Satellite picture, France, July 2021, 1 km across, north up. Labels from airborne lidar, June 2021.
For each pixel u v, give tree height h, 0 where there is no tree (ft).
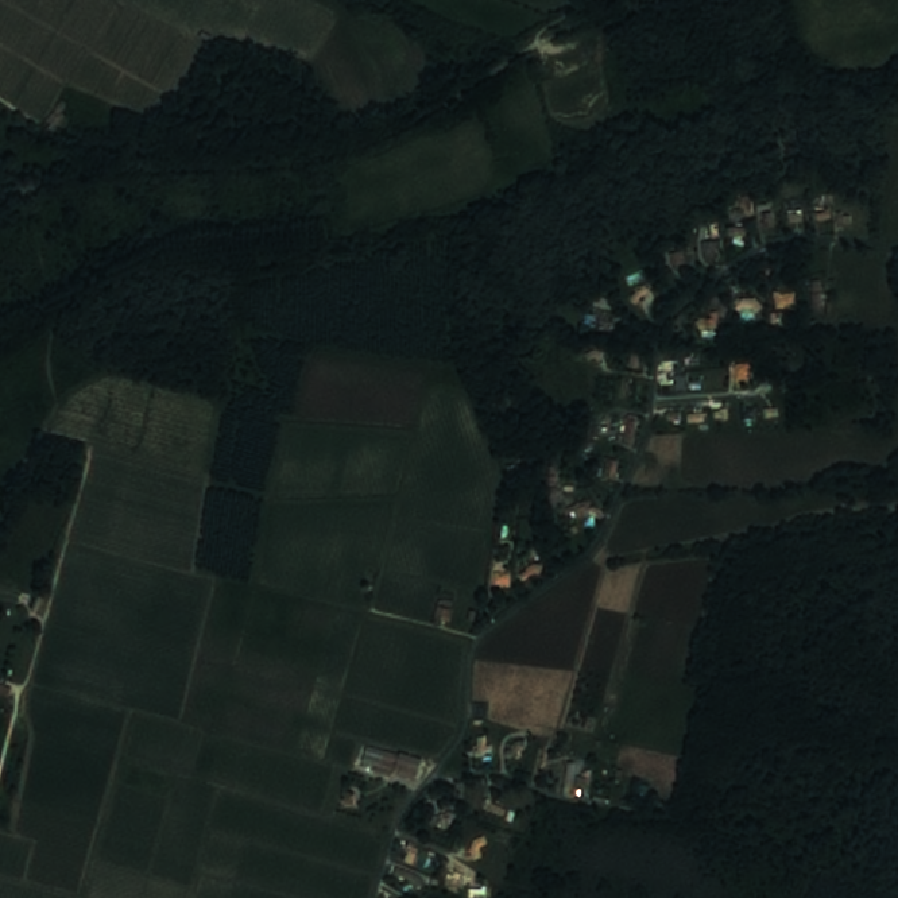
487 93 60
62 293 89
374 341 33
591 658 0
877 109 66
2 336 59
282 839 0
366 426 0
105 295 69
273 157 72
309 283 36
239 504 36
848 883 27
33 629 39
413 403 0
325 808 0
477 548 0
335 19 0
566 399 0
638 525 0
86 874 0
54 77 0
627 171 76
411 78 0
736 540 34
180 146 77
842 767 31
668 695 0
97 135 27
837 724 55
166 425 0
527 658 0
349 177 0
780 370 54
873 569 66
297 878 0
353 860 0
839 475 34
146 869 0
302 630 0
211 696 0
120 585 0
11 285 20
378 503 0
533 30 25
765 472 0
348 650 0
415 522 0
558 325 59
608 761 0
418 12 44
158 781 0
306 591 0
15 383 0
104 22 0
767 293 29
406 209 0
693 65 63
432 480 0
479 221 73
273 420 25
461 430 0
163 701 0
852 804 75
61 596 0
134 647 0
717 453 0
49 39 0
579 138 30
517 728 0
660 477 0
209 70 60
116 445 0
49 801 0
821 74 68
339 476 0
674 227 62
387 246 22
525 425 72
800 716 55
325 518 0
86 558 0
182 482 0
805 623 29
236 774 0
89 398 0
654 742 0
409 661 0
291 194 30
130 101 0
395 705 0
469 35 29
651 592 0
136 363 43
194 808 0
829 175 70
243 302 33
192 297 67
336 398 0
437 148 0
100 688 0
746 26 64
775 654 35
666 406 0
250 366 25
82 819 0
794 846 52
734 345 44
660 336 53
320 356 0
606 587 0
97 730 0
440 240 18
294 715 0
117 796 0
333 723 0
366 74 0
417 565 0
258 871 0
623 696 0
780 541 57
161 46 0
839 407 23
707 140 78
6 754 0
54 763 0
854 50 0
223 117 63
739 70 75
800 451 0
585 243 64
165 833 0
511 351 65
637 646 0
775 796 29
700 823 33
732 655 40
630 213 84
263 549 0
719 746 45
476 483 0
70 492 34
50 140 44
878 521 28
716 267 35
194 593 0
